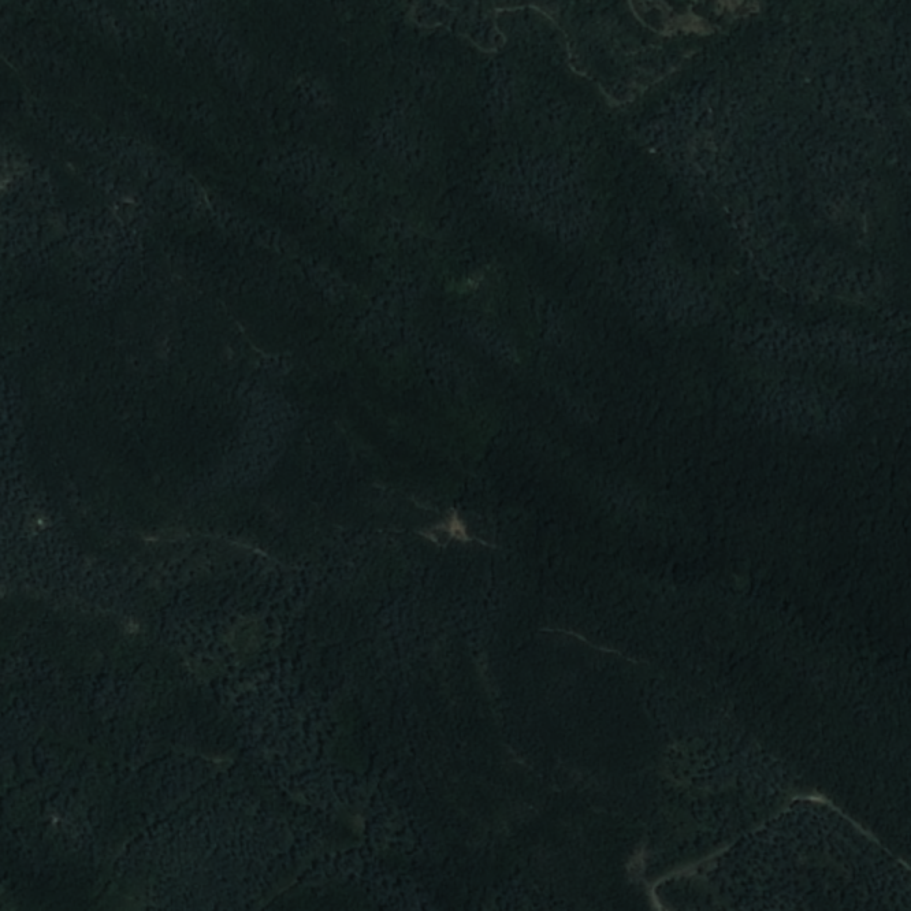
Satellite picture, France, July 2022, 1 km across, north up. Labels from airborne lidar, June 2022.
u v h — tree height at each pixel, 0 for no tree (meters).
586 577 12
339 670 12
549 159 10
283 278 10
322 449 10
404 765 14
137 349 6
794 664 13
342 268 9
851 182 10
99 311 8
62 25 8
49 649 12
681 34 9
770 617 14
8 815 9
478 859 17
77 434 8
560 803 6
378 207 8
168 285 8
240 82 15
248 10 8
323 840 20
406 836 17
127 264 12
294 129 13
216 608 11
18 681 6
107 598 11
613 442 16
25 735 17
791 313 13
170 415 14
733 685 15
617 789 8
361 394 6
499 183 12
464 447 6
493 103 7
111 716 11
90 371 13
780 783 16
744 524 19
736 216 7
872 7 8
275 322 6
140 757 15
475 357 14
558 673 8
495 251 7
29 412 7
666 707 13
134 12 9
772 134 11
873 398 13
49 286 9
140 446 16
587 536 15
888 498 17
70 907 14
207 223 10
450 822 7
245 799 19
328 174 9
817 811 14
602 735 8
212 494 14
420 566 7
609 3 8
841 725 14
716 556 23
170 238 10
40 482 8
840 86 7
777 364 7
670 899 11
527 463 17
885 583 22
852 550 16
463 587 10
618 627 11
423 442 7
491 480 18
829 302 12
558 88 15
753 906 18
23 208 7
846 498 17
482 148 8
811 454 11
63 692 14
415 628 12
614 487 15
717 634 13
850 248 7
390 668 7
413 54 11
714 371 14
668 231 19
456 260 8
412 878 12
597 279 12
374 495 6
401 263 8
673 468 13
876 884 17
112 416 9
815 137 9
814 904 13
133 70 9
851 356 17
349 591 8
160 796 14
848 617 21
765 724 11
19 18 9
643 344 15
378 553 12
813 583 17
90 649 7
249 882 16
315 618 14
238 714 17
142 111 9
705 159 8
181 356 11
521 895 14
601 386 14
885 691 9
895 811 12
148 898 11
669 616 10
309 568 18
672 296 10
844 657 15
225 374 9
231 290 11
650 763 9
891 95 8
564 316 15
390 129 7
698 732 14
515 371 13
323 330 6
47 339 11
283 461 10
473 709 8
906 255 6
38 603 9
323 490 12
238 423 11
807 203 8
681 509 17
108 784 9
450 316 10
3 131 6
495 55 6
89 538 9
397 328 7
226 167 10
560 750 9
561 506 20
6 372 6
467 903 15
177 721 17
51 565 12
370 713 13
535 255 8
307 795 18
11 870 17
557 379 14
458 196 14
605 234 7
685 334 17
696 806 10
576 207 9
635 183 9
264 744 17
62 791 11
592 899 6
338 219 13
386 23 8
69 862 13
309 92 14
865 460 18
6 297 10
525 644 8
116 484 7
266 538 13
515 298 8
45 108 6
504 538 12
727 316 9
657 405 13
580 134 9
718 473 16
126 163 17
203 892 13
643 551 20
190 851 12
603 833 7
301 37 8
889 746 14
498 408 11
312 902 8
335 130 12
